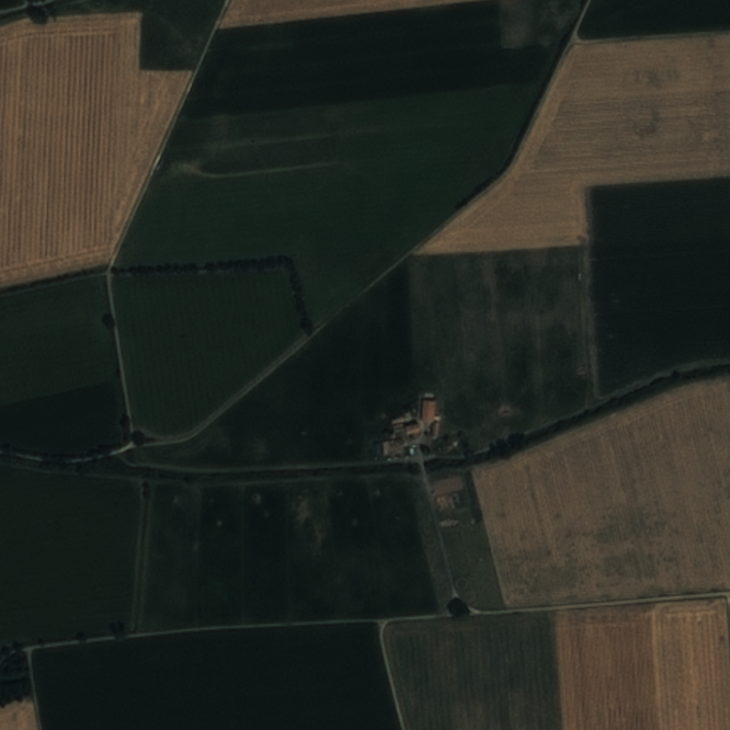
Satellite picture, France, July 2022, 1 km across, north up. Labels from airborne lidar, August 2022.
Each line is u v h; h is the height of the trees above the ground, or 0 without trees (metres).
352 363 0
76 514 0
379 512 0
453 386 0
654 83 0
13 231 0
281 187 0
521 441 19
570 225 0
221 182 0
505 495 0
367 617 0
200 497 0
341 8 0
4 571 0
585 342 0
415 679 0
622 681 0
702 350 0
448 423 0
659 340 0
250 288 0
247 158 0
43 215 0
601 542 0
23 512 0
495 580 0
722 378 0
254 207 0
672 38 0
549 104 0
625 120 0
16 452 8
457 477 0
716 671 0
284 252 0
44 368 0
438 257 0
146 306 0
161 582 0
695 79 0
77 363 0
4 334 0
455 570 0
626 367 0
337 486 0
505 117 0
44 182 0
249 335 0
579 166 0
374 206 0
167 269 11
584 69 0
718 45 0
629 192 0
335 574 0
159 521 0
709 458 0
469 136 0
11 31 0
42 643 10
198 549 0
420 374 0
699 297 0
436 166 0
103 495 0
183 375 0
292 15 0
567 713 0
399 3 0
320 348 0
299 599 0
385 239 0
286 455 0
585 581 0
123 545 0
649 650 0
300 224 0
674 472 0
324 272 0
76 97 0
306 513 0
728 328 0
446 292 0
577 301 0
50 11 17
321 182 0
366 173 0
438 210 0
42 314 0
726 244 0
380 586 0
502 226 0
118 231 0
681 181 0
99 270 0
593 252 0
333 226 0
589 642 0
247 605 0
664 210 0
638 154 0
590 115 0
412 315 0
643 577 0
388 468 6
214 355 0
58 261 0
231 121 0
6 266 0
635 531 0
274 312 0
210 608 0
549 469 0
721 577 0
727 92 0
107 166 0
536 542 0
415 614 0
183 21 0
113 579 0
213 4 0
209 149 0
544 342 0
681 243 0
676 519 0
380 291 0
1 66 0
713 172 0
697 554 0
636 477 0
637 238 0
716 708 0
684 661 0
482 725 0
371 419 0
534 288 0
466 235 0
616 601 0
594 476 0
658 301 0
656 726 0
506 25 0
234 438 0
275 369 0
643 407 0
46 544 0
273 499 0
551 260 0
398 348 0
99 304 0
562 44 7
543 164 0
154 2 0
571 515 0
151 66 0
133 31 0
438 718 0
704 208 0
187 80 0
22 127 0
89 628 0
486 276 0
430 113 0
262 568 0
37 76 0
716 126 0
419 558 0
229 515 0
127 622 0
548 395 0
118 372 7
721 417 0
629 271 0
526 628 0
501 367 0
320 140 0
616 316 0
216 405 0
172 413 0
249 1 0
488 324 0
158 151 0
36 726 0
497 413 0
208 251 0
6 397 0
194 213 0
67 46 0
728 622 0
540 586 0
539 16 0
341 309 0
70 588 0
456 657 0
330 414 0
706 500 0
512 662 0
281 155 0
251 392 0
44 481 0
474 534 0
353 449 0
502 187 0
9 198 0
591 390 0
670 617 0
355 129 0
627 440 0
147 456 0
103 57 0
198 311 0
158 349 0
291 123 0
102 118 0
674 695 0
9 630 0
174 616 0
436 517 0
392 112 0
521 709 0
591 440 0
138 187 0
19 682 10
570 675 0
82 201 0
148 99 0
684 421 0
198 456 0
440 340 0
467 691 0
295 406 0
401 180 0
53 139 0
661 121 0
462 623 0
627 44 0
